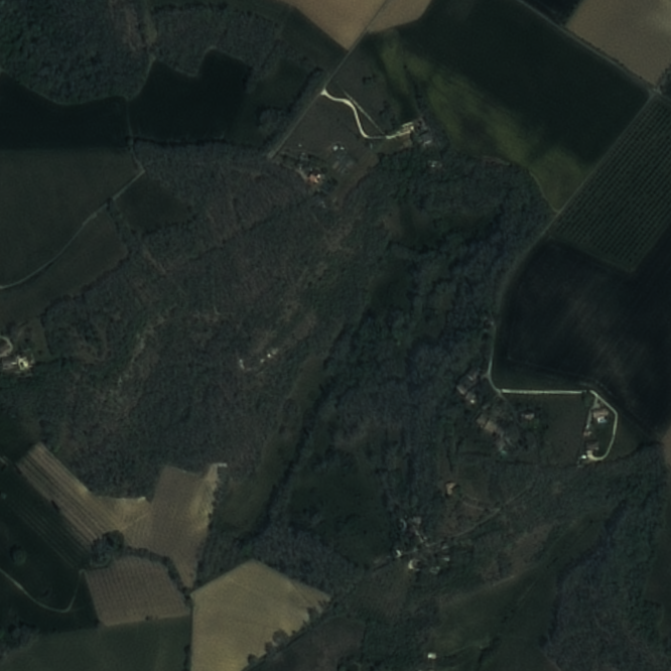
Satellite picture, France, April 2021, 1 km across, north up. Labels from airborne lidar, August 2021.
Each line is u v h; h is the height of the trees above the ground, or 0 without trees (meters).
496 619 0
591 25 0
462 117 0
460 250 19
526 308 0
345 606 10
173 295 11
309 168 8
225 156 17
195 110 0
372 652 6
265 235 16
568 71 0
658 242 0
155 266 12
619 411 0
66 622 0
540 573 0
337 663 0
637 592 8
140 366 7
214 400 14
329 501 0
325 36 0
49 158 0
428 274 21
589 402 7
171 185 12
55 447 24
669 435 0
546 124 0
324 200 15
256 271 16
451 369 18
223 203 20
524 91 0
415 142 9
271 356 0
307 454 20
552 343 0
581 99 0
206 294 10
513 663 0
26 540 0
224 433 13
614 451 0
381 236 20
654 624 10
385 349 20
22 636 14
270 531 28
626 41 0
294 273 11
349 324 14
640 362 0
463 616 0
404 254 20
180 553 8
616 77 0
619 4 0
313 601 0
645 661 13
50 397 24
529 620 0
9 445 0
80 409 8
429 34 0
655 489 14
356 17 0
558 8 0
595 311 0
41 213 0
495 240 21
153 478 19
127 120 0
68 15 24
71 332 8
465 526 12
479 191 21
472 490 0
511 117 0
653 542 14
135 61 13
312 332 10
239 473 15
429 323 12
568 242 0
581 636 14
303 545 24
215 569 11
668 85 0
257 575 0
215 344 14
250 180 16
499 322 13
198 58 12
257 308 12
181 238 16
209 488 0
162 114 0
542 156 0
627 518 21
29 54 21
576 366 0
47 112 0
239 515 0
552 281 0
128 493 11
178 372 19
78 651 0
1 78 0
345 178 0
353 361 26
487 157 0
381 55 0
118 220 12
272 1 0
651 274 0
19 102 0
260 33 15
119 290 16
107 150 0
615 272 0
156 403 18
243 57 15
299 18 0
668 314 0
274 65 11
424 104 7
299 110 11
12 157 0
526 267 0
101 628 12
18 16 19
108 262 0
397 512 16
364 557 0
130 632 0
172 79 0
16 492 10
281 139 12
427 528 13
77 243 0
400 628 12
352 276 12
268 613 0
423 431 17
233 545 15
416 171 12
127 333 12
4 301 0
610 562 19
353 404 24
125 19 10
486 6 0
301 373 10
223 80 0
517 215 23
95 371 10
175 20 9
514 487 11
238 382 8
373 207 14
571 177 0
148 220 0
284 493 21
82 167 0
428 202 24
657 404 0
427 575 14
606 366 0
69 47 22
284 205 16
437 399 13
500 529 8
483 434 7
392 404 19
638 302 0
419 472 20
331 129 0
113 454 10
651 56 0
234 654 0
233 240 13
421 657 11
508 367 0
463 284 18
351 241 8
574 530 0
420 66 0
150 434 21
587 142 0
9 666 0
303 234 13
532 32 0
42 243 0
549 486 6
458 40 0
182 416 16
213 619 0
